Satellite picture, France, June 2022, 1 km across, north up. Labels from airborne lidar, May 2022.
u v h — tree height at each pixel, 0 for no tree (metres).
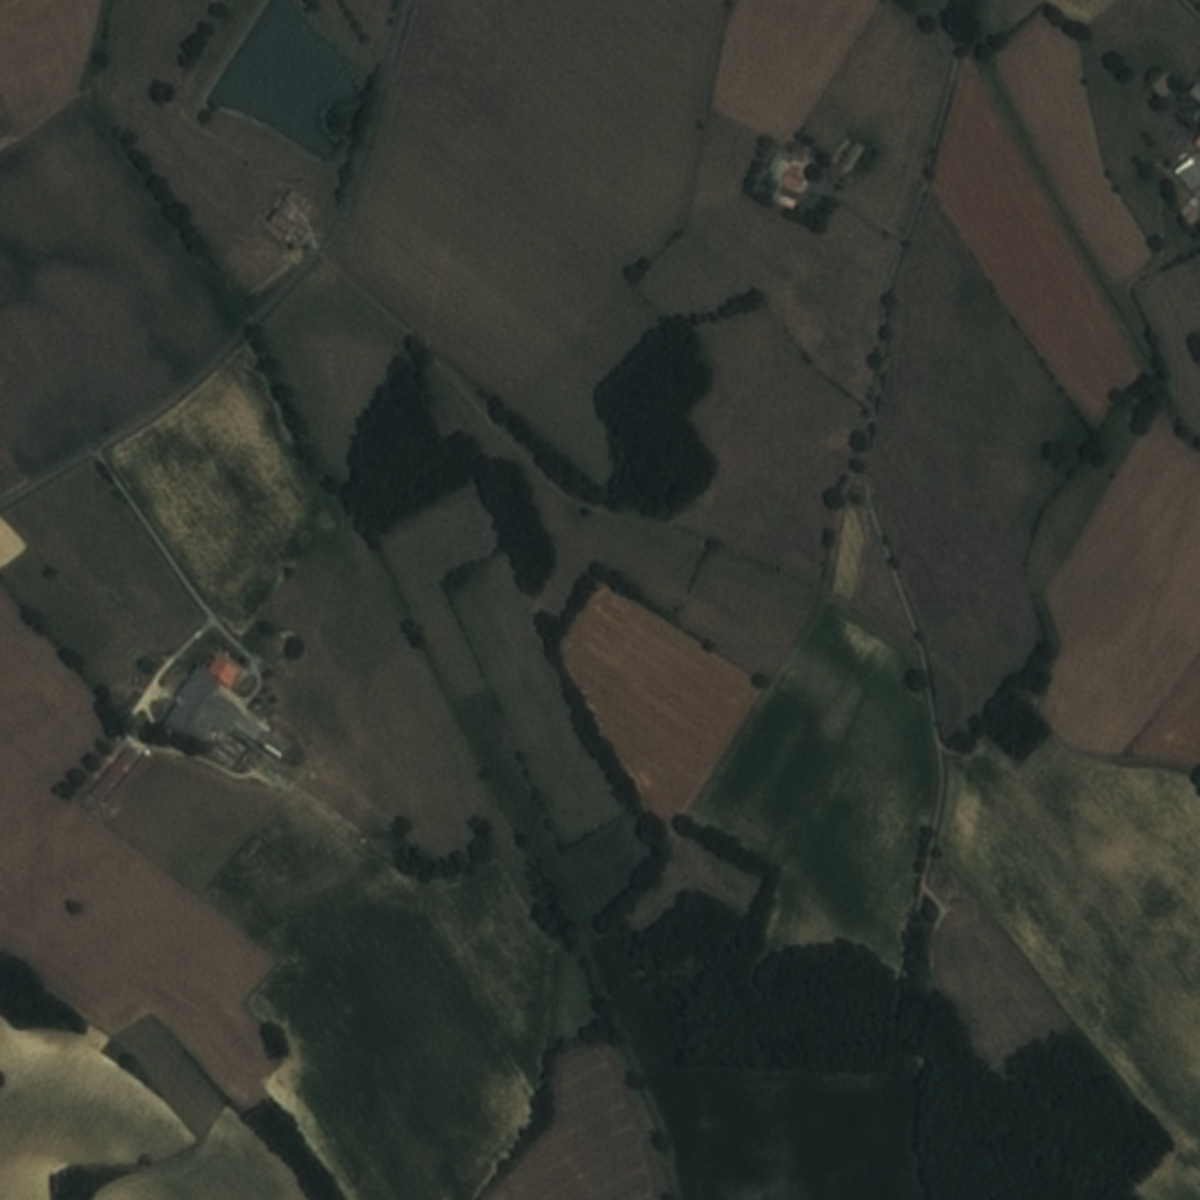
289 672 0
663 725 0
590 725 13
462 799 0
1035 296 0
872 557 0
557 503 0
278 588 0
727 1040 20
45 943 0
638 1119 0
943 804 0
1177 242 0
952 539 0
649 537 0
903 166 0
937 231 0
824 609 0
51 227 0
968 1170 17
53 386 0
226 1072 0
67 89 0
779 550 0
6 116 0
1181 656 0
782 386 0
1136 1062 0
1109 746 0
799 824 0
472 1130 0
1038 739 15
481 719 0
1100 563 0
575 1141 0
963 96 0
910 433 0
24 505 0
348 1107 0
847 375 0
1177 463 0
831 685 0
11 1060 0
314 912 0
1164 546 0
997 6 0
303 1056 0
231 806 0
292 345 0
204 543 0
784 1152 0
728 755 0
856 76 0
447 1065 0
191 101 0
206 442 0
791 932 0
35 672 0
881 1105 0
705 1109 0
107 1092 0
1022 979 0
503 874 0
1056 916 0
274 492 0
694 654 0
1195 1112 0
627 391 16
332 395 0
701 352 10
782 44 0
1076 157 0
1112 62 14
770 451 0
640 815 6
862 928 0
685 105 0
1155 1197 0
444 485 12
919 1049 16
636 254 0
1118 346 0
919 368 0
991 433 0
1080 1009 0
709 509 0
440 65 0
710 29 0
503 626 0
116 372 0
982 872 0
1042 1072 18
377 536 15
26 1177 0
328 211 0
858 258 0
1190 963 0
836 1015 22
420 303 0
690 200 0
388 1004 0
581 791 0
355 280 0
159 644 0
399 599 0
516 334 0
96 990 0
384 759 0
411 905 0
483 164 0
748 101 0
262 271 0
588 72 0
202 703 0
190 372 0
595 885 0
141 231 0
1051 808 0
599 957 0
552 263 0
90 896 0
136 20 0
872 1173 0
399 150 0
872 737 0
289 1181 0
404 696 0
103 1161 0
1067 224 0
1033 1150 16
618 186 0
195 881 0
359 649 0
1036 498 0
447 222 0
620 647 0
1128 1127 18
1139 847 0
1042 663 14
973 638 0
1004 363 0
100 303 0
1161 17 0
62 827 0
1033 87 0
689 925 19
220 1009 0
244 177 0
